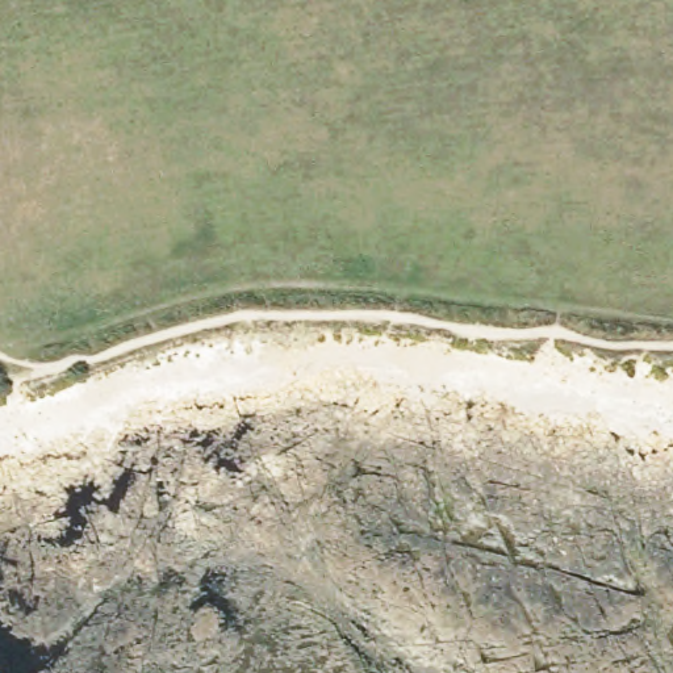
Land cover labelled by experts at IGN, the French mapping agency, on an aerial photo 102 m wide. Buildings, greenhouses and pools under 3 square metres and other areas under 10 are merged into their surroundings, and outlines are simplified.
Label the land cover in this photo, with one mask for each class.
<instances>
[{"label":"herbaceous vegetation","instance_id":"1","mask_svg":"<svg viewBox=\"0 0 673 673\"><path fill-rule=\"evenodd\" d=\"M252 308H368L421 313L439 321L481 323L497 329L565 326L578 334L615 342L673 339V0H0V350L34 363H53L74 352L95 355L131 337L152 334L197 318ZM313 329H331L334 342H342L344 329L365 337H389L392 342L444 339L455 350L492 352L497 358L523 363L536 360V352L544 347L542 339H465L447 329H423L386 321H237L145 344L103 363H89V376H108L131 363H145L163 350L202 344L208 339L289 331L308 334ZM555 350L565 358H602L607 360L610 373L623 371L626 376H634L636 365L647 363L655 379L662 381L673 376V350H605L568 339H555ZM97 486L81 484L66 489V507L55 510V518H68L66 531L58 534L60 547H71L76 539H81L87 528L81 507L92 505ZM189 607L218 610L223 631L242 634L237 620V605L223 597V573L205 570V576L200 578V594L192 599ZM68 655V647L60 641L42 647L32 644L29 639H16L0 623V673H39L55 668L60 657Z\"/></svg>","mask_w":673,"mask_h":673},{"label":"bare soil","instance_id":"2","mask_svg":"<svg viewBox=\"0 0 673 673\"><path fill-rule=\"evenodd\" d=\"M81 484L97 486L92 505L81 507L87 528L81 539H76L71 547H60L58 534L66 531L68 518H55V510L66 507V489ZM205 570L223 573V597L237 605V620L242 634L223 631L218 610L189 607L192 599L200 594V578L205 576ZM0 623L16 639H29L32 644L42 647L60 641L68 647V655L60 657L55 668L39 673H673V376L662 381L655 379L647 363L636 365L634 376H626L623 371L610 373L607 360L602 358H565L555 350L544 347L536 352V360L523 363L497 358L492 352L455 350L444 339L392 342L389 337H365L344 329L342 342H334L331 329H313L308 334L289 331L208 339L202 344L163 350L145 363H131L108 376H89L81 384H74L58 394L34 402L26 397H16L11 392L8 402L0 405Z\"/></svg>","mask_w":673,"mask_h":673},{"label":"pervious surface","instance_id":"3","mask_svg":"<svg viewBox=\"0 0 673 673\"><path fill-rule=\"evenodd\" d=\"M237 321H386L423 329H447L465 339H542L544 347L555 350V339H568L605 350H673V339L615 342L578 334L565 326L497 329L481 323L439 321L421 313L368 308H252L197 318L152 334L131 337L95 355L74 352L53 363H34L0 350V405L8 402L11 392L16 397H26L34 402L58 394L74 384H81L89 376V363H103L145 344Z\"/></svg>","mask_w":673,"mask_h":673}]
</instances>
